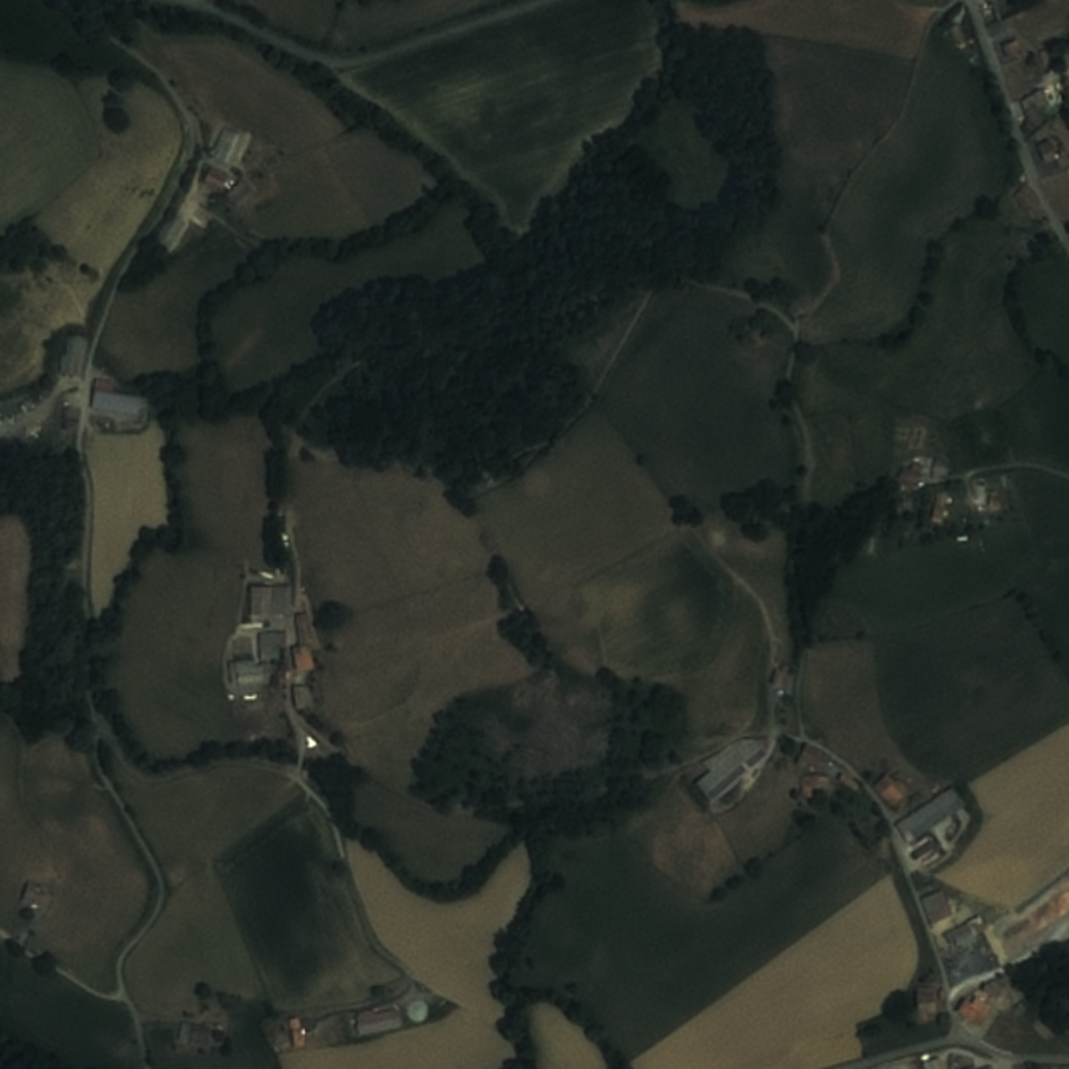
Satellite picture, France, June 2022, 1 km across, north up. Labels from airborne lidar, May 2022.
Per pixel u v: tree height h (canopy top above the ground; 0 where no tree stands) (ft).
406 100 0
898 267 0
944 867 0
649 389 0
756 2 0
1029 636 0
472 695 0
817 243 0
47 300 0
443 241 0
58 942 0
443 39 0
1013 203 0
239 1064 0
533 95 0
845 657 0
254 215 0
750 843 0
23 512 24
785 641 0
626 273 78
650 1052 0
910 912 0
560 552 0
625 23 0
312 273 0
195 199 0
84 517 21
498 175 0
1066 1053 0
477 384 87
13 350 0
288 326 0
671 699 62
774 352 0
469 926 0
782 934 0
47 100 0
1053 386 0
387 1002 0
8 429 0
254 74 0
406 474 0
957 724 0
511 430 90
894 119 0
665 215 71
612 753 38
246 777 0
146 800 0
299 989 0
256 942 0
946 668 0
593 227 78
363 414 61
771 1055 0
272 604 0
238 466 0
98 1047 0
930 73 0
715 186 0
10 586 0
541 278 66
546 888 28
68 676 55
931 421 0
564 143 0
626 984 0
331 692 0
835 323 0
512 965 53
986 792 0
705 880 0
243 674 0
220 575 0
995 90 61
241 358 0
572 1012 62
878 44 0
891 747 0
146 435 0
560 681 0
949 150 0
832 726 0
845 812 32
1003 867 0
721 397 0
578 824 74
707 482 0
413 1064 0
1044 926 0
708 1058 0
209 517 0
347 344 67
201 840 0
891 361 0
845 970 0
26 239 73
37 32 0
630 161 48
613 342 0
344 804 55
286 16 0
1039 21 0
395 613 0
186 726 0
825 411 0
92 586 0
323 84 22
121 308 0
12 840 0
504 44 0
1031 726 0
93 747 81
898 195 0
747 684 0
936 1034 0
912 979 0
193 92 0
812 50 0
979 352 0
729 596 0
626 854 0
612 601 0
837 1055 0
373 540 0
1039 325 0
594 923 0
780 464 0
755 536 58
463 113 0
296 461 0
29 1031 0
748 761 0
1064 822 0
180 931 0
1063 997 27
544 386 65
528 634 24
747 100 65
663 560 0
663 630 0
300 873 0
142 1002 0
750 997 0
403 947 0
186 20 89
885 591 0
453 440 64
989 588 0
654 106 34
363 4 31
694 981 0
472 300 105
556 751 0
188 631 0
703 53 72
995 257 0
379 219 0
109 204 0
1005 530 0
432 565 0
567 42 0
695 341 0
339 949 0
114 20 37
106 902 0
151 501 0
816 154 0
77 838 0
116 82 62
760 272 0
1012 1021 0
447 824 0
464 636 0
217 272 0
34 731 38
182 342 0
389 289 90
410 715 0
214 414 56
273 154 0
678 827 0
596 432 0
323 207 0
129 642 0
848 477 0
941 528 19
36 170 0
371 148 0
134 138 0
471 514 35
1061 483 0
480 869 30
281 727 0
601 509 0
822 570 64
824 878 0
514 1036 76
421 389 65
